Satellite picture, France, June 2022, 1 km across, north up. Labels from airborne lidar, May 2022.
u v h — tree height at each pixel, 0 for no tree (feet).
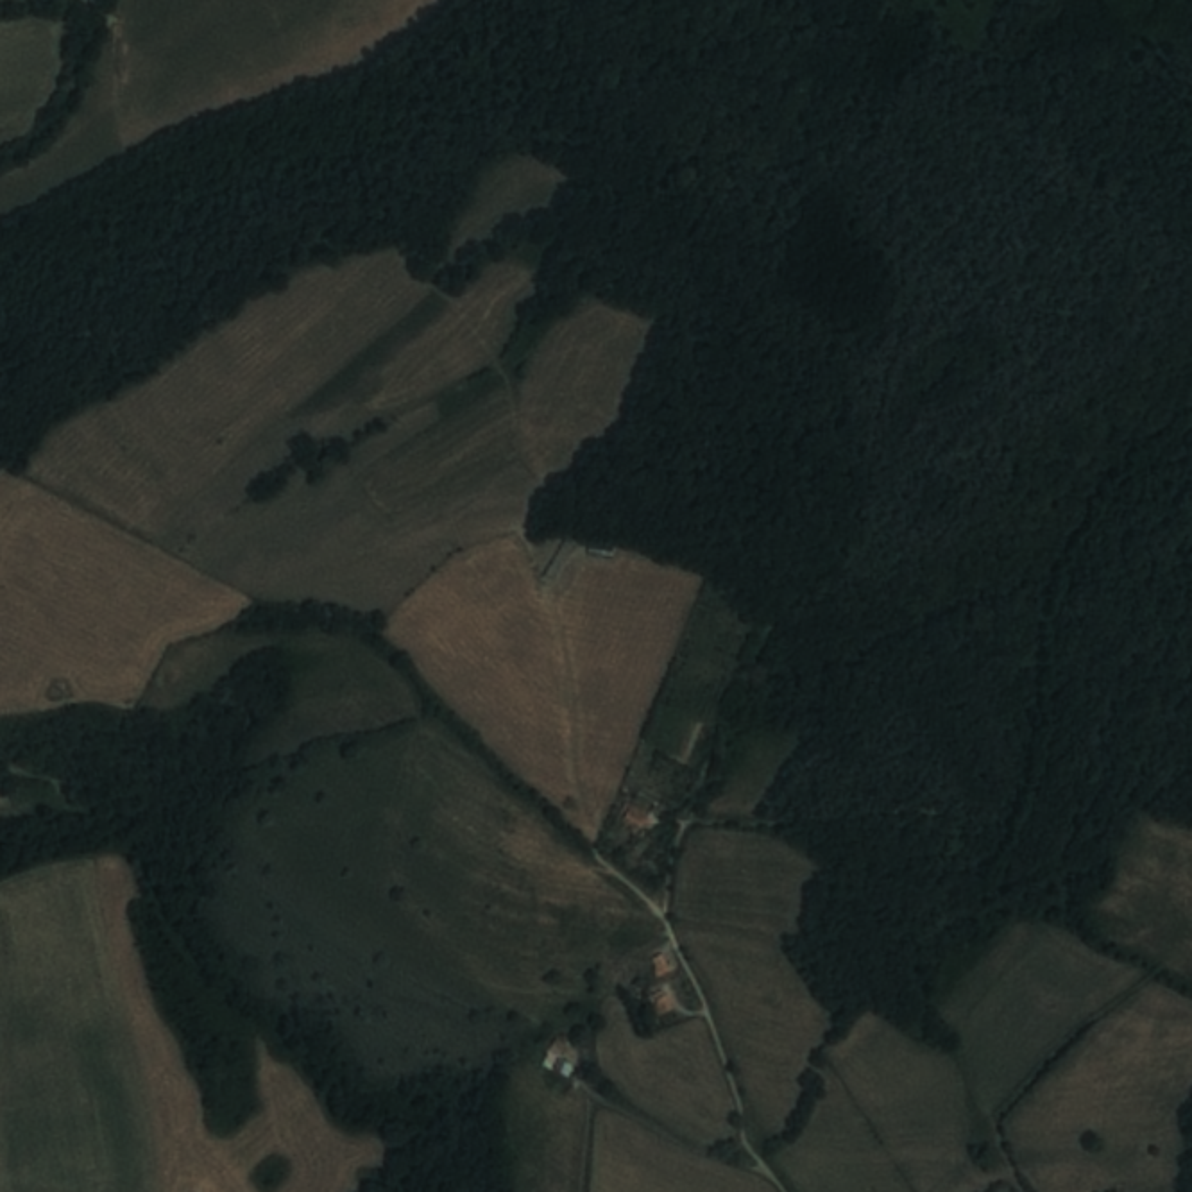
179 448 0
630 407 51
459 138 72
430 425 0
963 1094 0
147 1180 0
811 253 63
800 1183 0
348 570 0
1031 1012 0
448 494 0
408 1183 58
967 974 0
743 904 0
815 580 47
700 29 68
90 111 0
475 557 0
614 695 0
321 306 0
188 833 67
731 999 0
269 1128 0
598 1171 0
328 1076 52
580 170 63
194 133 67
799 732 24
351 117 45
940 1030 65
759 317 49
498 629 0
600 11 50
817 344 43
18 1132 0
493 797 0
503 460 0
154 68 0
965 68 46
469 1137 61
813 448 75
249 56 0
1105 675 60
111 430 0
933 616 48
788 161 62
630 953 0
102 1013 0
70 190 50
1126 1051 0
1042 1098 0
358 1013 32
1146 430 81
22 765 36
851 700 64
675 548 51
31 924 0
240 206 57
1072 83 63
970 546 66
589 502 53
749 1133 0
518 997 0
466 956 0
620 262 49
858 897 45
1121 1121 0
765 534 61
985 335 48
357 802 0
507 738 0
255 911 0
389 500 0
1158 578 55
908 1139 0
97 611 0
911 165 28
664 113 89
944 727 59
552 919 0
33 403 47
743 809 0
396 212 68
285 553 0
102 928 0
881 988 59
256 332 0
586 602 0
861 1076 0
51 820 53
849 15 59
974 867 46
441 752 0
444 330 0
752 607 54
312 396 0
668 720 0
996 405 70
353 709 0
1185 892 0
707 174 59
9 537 0
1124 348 53
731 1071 38
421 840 23
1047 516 75
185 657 0
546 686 0
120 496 0
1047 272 51
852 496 49
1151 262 53
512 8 73
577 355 0
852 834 35
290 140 36
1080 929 43
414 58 53
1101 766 40
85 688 0
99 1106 0
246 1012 46
